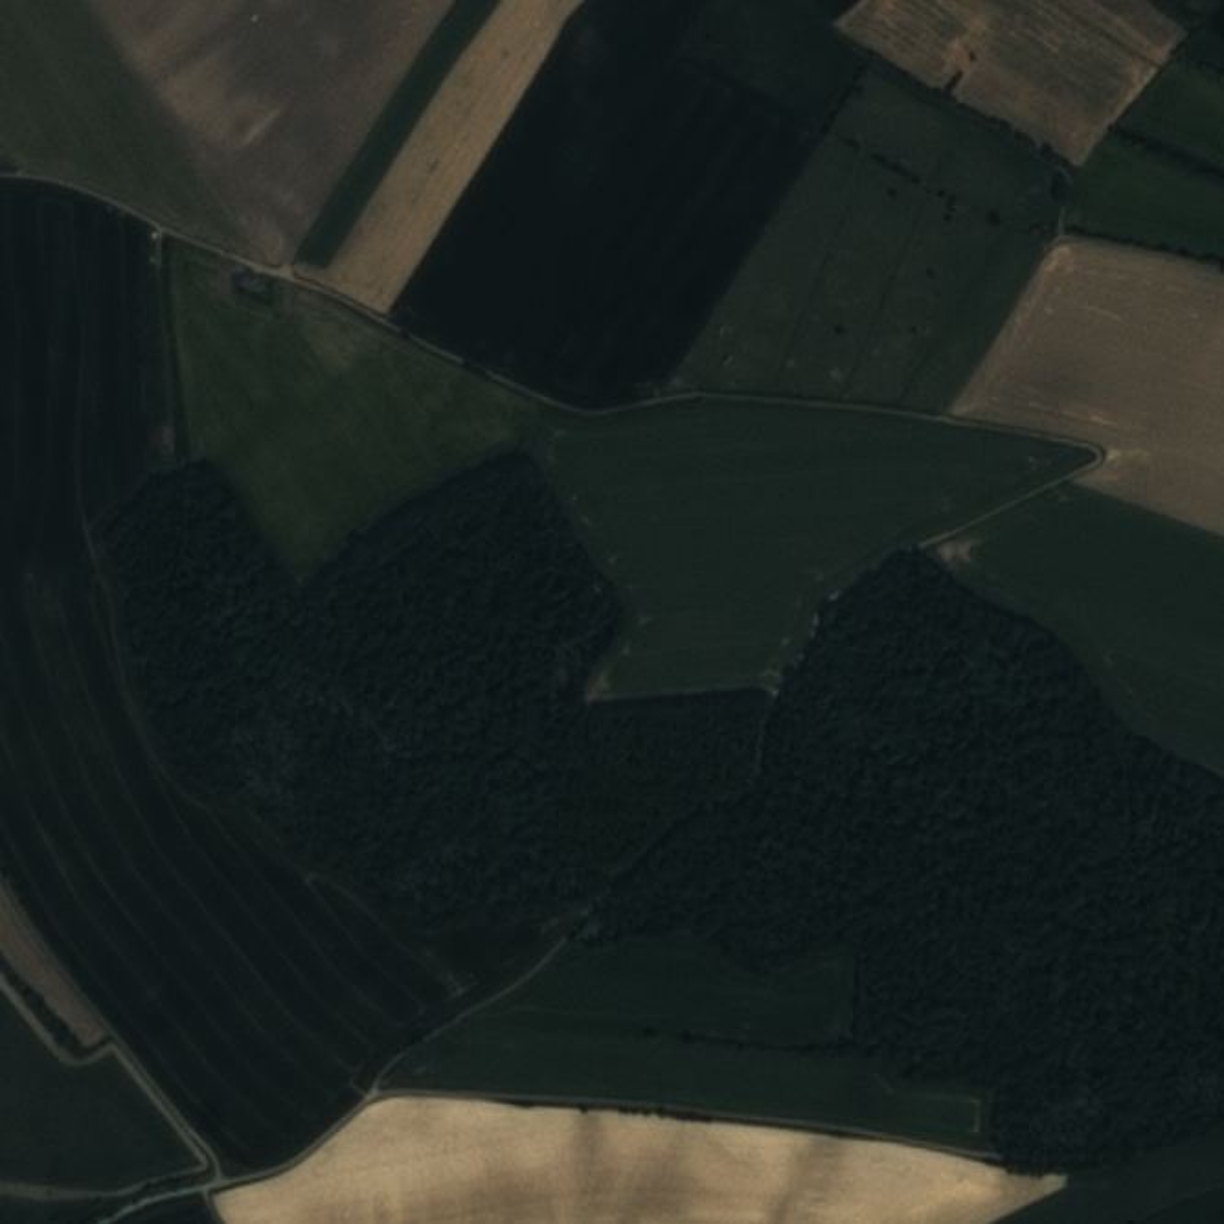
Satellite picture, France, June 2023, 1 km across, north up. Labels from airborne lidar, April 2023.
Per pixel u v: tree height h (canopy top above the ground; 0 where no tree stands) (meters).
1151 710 0
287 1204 0
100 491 0
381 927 0
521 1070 0
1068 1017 17
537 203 0
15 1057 0
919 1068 11
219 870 0
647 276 0
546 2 0
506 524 22
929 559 14
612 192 0
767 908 15
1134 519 0
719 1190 0
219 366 0
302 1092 0
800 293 0
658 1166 0
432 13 0
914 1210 0
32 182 0
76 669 0
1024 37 0
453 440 0
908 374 0
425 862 13
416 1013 0
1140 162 0
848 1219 0
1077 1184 0
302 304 0
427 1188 0
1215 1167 0
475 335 0
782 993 0
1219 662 0
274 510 0
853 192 0
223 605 17
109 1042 0
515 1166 0
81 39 0
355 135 0
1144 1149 11
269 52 0
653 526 0
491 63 0
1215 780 13
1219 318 0
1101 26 0
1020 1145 13
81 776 0
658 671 0
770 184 0
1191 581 0
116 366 0
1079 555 0
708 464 0
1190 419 0
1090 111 0
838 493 0
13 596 0
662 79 0
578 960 0
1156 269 0
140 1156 0
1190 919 15
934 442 0
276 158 0
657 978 0
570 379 0
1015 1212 0
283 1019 0
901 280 0
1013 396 0
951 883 18
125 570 12
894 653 18
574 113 0
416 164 0
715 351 0
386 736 19
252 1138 0
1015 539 0
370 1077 0
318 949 0
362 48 0
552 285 0
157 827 0
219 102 0
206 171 0
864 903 17
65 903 0
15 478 0
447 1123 0
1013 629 19
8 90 0
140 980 0
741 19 0
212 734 18
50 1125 0
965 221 0
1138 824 18
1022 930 16
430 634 14
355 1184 0
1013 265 0
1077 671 18
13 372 0
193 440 0
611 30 0
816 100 0
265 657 20
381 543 16
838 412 0
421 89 0
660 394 0
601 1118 0
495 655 20
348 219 0
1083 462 0
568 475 0
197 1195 0
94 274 0
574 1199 0
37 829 0
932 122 0
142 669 8
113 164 0
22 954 0
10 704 0
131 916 0
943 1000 17
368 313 0
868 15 0
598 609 18
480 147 0
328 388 0
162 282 0
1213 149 0
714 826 16
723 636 0
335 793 18
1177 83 0
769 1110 0
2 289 0
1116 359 0
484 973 0
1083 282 0
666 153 0
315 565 0
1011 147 0
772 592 0
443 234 0
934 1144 0
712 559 0
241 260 0
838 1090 0
